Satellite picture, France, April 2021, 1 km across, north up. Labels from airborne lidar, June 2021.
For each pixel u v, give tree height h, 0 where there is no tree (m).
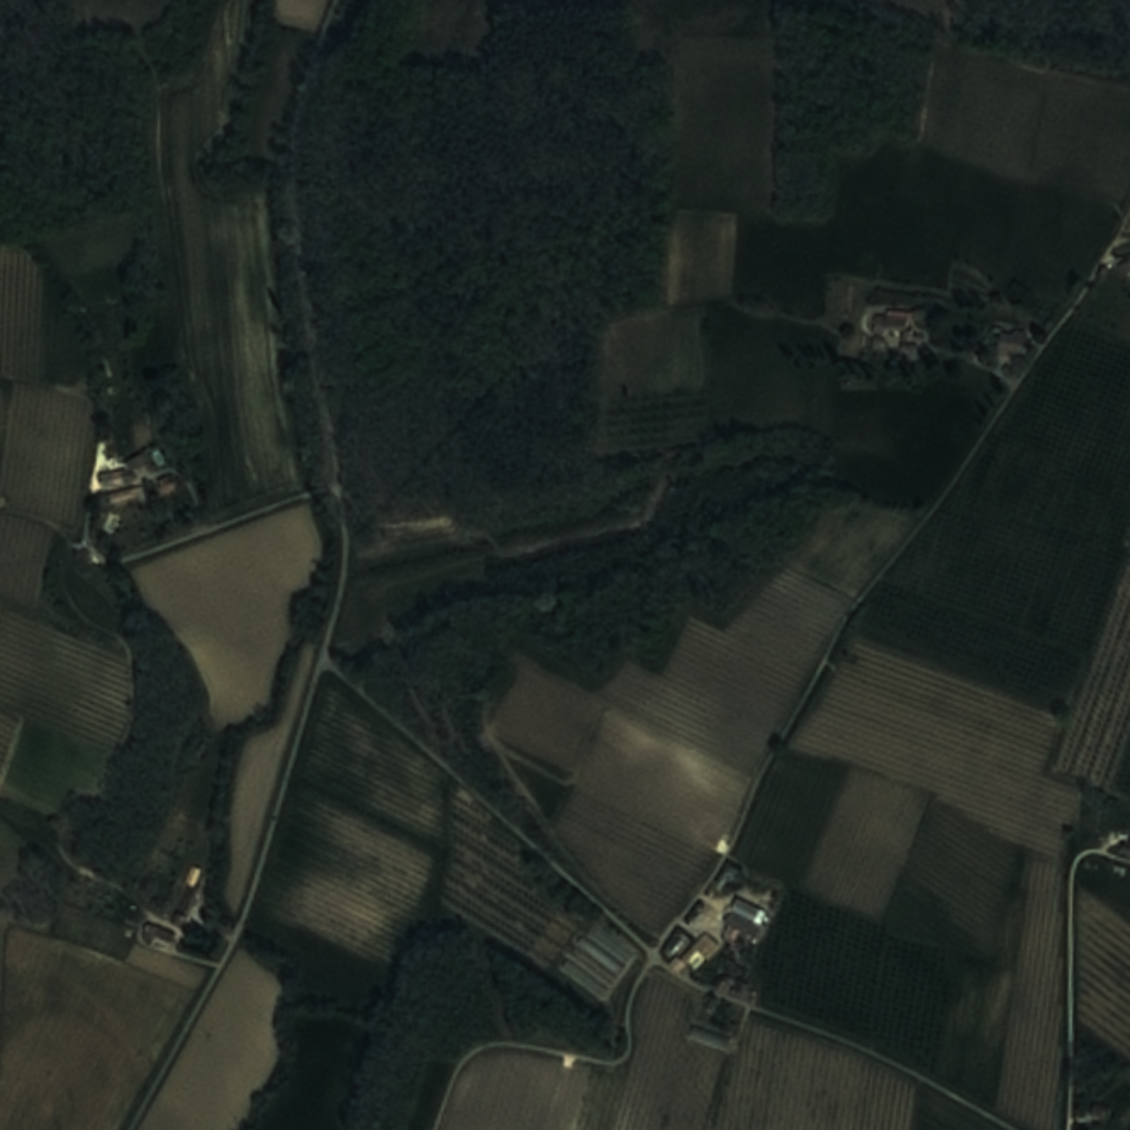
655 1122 0
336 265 19
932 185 0
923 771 0
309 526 0
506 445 20
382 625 0
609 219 13
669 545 24
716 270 0
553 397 22
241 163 17
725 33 0
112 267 0
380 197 18
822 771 0
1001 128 0
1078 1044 7
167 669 19
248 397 0
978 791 0
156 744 17
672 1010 0
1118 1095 0
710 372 0
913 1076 0
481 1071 0
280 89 0
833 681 0
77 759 0
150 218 21
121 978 0
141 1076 0
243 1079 0
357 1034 0
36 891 15
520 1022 20
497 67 12
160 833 22
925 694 0
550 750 0
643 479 11
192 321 0
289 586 0
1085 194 0
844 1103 0
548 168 21
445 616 18
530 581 11
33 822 0
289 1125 0
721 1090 0
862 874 0
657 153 16
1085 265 0
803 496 19
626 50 19
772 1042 0
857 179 0
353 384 21
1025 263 0
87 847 18
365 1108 19
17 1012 0
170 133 0
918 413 0
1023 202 0
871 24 20
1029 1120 0
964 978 0
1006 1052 0
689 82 0
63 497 0
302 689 0
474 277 16
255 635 0
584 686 0
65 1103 0
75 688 0
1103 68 17
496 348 24
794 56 19
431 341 25
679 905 0
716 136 0
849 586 0
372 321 17
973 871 0
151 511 10
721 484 13
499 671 13
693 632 0
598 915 14
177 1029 0
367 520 14
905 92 15
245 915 0
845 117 18
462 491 20
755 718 0
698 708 0
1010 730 0
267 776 0
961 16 21
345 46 25
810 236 0
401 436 20
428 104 22
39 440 0
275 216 18
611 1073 0
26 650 0
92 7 0
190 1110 0
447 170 20
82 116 27
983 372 0
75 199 25
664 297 16
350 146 19
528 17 23
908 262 0
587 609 19
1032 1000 0
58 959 0
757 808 0
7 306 0
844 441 0
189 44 10
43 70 18
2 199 26
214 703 0
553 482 20
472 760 11
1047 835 0
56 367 0
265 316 0
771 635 0
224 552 0
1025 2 18
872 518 0
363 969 0
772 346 0
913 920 0
